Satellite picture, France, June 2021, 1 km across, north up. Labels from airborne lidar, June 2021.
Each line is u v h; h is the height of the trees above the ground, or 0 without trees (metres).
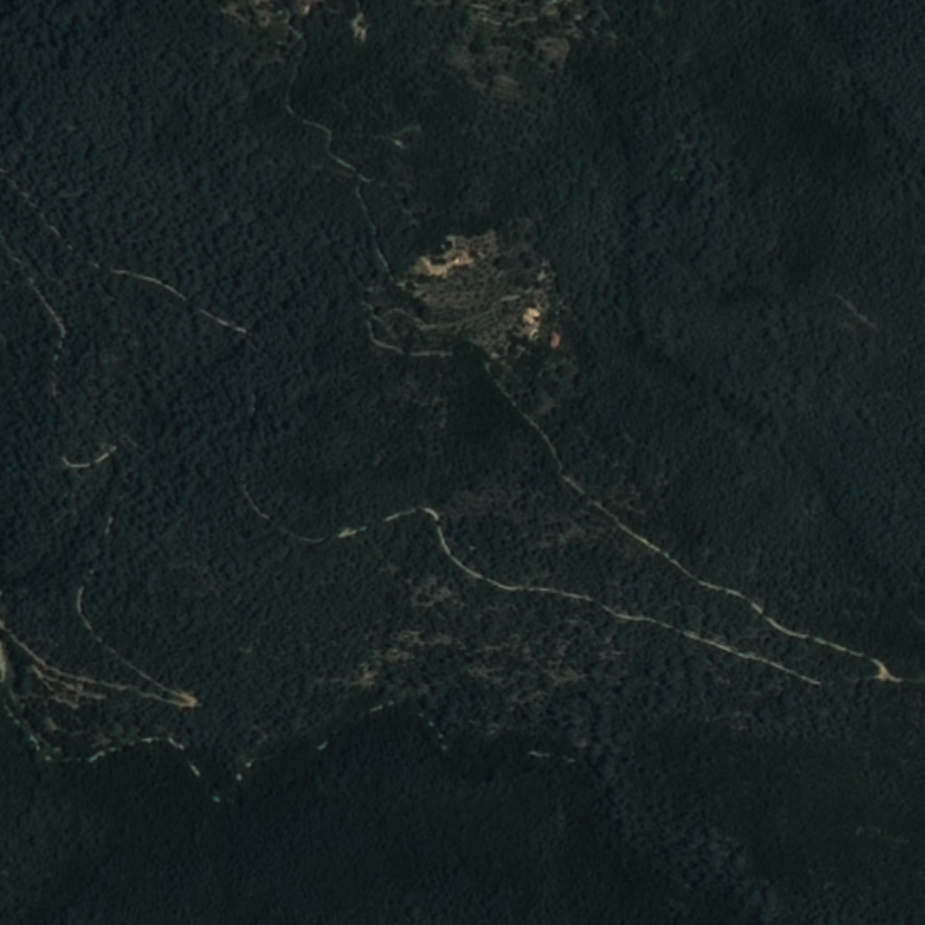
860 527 11
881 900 8
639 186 13
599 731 24
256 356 18
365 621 10
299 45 11
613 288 20
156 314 17
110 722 19
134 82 20
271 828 13
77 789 15
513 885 11
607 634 18
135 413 19
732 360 19
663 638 12
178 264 17
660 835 8
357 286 11
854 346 8
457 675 6
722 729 7
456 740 12
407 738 22
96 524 20
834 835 8
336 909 10
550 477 9
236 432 14
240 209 18
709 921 12
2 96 19
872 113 8
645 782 9
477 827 11
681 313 18
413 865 12
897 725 8
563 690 17
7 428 9
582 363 10
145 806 15
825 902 12
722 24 13
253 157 15
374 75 12
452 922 7
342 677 19
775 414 18
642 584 13
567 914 10
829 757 8
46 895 19
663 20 7
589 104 11
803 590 10
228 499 15
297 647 12
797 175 15
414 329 7
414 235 10
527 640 12
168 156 13
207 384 18
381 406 12
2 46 21
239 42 19
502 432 12
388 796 8
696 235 13
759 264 17
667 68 11
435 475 11
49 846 9
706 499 14
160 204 18
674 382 12
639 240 19
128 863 11
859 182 13
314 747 11
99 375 8
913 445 8
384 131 9
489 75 9
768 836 9
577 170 15
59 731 9
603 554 9
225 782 7
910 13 14
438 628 14
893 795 9
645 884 20
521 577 14
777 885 15
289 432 18
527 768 13
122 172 17
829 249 14
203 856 12
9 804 13
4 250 9
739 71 14
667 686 24
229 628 12
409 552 6
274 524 13
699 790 8
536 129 8
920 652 10
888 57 13
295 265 20
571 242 14
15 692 8
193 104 16
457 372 11
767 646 13
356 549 15
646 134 18
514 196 11
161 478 10
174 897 14
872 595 10
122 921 6
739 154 14
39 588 11
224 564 15
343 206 11
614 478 11
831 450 10
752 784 8
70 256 15
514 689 14
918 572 14
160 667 15
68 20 21
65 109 19
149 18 15
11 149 16
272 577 13
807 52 7
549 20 9
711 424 16
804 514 7
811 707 14
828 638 7
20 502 16
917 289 11
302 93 8
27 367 8
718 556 12
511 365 6
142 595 8
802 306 8
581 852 20
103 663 17
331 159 8
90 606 9
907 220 13
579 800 25
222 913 16
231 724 18
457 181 7
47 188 17
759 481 9
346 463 13
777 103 16
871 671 9
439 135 10
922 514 14
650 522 6
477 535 10
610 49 10
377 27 11
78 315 17
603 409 13
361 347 7
